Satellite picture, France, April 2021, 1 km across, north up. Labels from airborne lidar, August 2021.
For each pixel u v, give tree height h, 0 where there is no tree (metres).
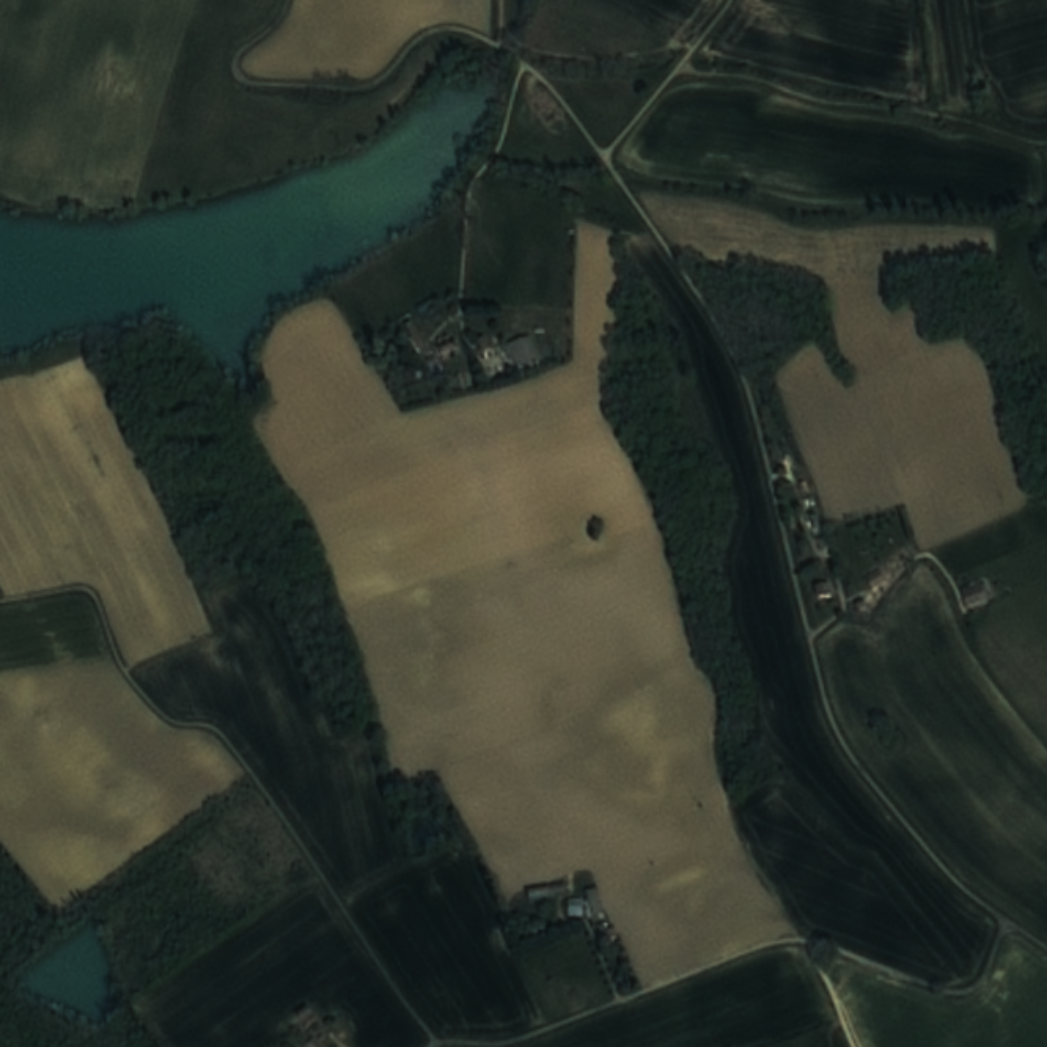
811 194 0
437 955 0
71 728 0
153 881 9
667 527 18
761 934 0
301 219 0
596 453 0
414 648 0
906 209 11
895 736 15
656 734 0
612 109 0
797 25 0
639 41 0
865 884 0
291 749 0
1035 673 0
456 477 0
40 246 0
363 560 0
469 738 0
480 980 0
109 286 0
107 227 0
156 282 0
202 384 21
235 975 0
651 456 20
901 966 0
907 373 0
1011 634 0
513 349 0
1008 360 18
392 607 0
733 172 0
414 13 0
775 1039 0
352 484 0
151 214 0
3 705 0
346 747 0
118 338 18
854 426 0
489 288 0
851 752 0
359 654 14
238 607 0
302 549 25
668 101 0
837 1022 0
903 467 0
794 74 0
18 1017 15
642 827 0
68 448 0
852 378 13
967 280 22
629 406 18
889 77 0
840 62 0
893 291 16
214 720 0
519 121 0
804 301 12
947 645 0
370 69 0
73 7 0
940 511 0
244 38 0
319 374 0
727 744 9
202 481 18
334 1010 0
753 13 0
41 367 0
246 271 0
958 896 0
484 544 0
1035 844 0
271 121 0
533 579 0
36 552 0
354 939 0
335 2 0
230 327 0
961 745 0
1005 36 0
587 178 15
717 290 12
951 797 0
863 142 0
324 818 0
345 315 0
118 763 0
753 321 15
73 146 0
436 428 0
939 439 0
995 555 0
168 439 8
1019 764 0
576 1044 0
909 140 0
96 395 0
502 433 0
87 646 0
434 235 0
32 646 0
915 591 0
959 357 0
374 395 0
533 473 0
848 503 0
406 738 0
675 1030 0
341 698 18
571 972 0
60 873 0
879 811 0
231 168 0
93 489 0
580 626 0
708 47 0
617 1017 0
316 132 0
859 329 0
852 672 0
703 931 0
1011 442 20
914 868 0
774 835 0
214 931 12
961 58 0
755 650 0
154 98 0
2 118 0
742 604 0
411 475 0
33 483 0
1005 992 0
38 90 0
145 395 19
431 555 0
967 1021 0
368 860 0
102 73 0
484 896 0
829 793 0
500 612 0
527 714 0
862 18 0
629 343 17
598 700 0
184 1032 0
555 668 0
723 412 0
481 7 0
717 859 0
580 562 0
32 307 0
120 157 0
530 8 19
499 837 0
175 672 0
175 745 0
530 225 0
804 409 0
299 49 0
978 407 0
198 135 0
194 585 11
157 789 0
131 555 0
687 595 13
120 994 16
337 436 0
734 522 17
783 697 0
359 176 0
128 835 0
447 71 14
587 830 0
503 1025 0
